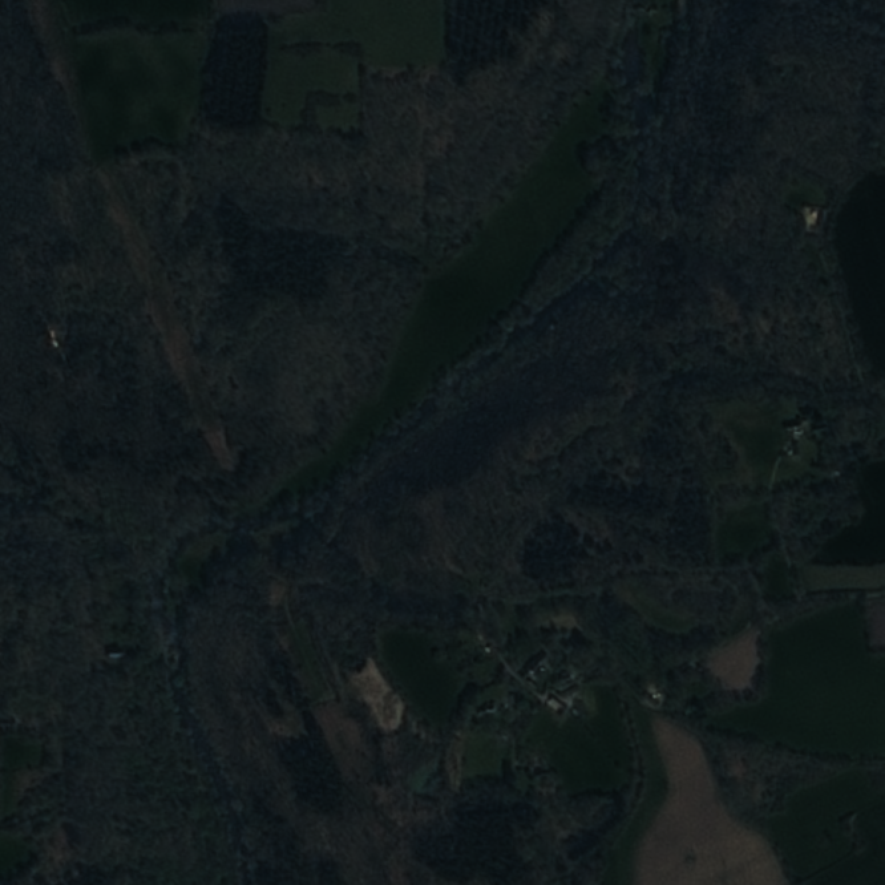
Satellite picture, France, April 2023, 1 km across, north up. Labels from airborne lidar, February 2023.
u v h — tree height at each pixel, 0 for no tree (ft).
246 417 47
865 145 63
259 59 81
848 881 0
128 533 56
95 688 99
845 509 54
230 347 41
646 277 58
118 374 35
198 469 45
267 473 70
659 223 96
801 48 60
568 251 53
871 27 84
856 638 0
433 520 41
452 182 78
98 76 0
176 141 0
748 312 62
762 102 32
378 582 31
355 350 66
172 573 66
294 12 0
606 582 37
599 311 67
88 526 54
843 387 34
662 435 52
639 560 36
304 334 55
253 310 51
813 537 44
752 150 56
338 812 53
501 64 47
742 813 21
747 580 65
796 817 0
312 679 0
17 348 57
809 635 0
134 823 60
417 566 44
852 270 0
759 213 40
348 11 0
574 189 0
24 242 61
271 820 89
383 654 0
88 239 37
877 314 0
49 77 71
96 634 44
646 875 0
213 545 0
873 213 0
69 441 52
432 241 32
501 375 51
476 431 35
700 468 44
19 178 75
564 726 0
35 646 51
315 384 74
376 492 31
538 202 0
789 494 33
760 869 0
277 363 53
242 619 77
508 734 46
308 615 51
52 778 42
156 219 27
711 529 33
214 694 43
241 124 73
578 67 78
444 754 21
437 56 0
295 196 68
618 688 60
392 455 41
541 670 30
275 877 89
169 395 51
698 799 0
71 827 83
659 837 0
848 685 0
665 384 73
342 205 65
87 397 61
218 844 34
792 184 28
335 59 0
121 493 68
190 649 61
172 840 66
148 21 0
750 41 60
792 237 52
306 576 71
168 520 88
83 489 68
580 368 51
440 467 45
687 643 57
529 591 54
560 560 49
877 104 68
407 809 34
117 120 0
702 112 58
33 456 67
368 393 56
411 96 49
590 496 64
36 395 38
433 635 31
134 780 34
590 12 62
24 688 41
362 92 41
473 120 64
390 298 76
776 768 20
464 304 0
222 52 64
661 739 0
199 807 40
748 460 0
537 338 91
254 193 62
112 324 50
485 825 89
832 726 0
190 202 20
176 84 0
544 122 78
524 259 0
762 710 0
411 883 39
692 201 59
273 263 112
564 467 47
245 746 52
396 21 0
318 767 100
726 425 0
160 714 62
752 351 37
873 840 0
